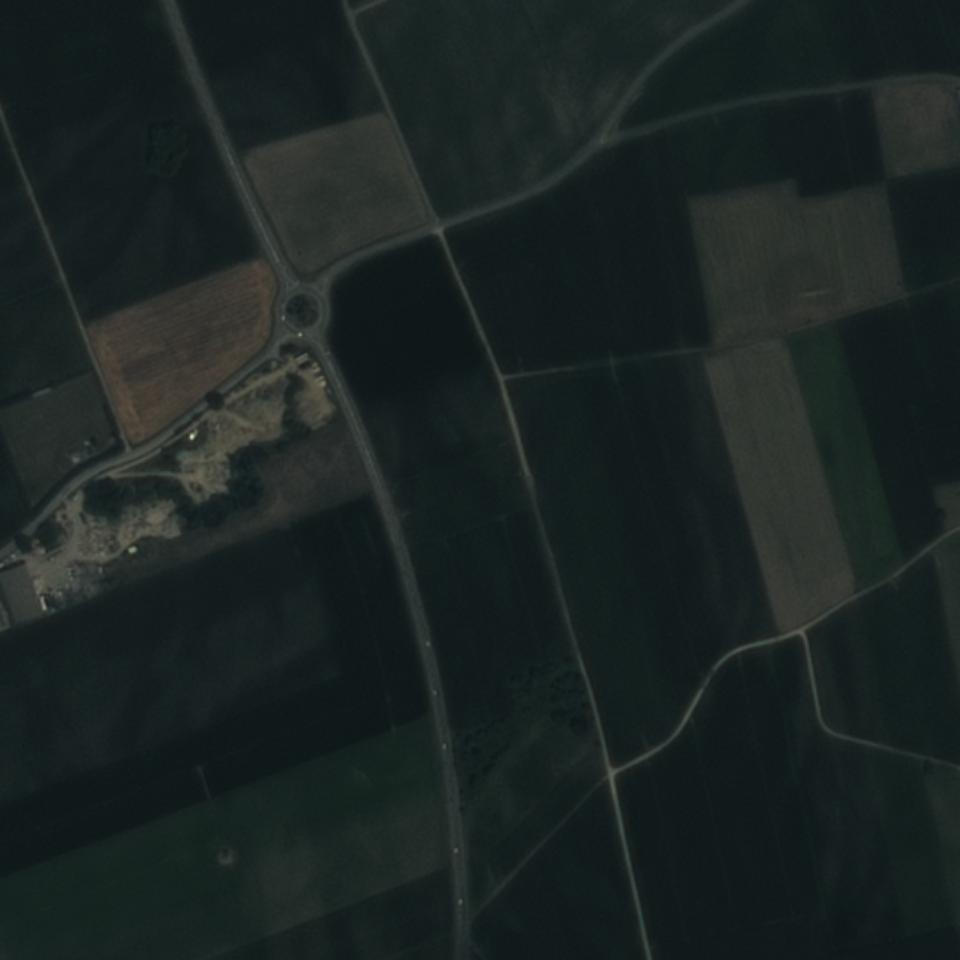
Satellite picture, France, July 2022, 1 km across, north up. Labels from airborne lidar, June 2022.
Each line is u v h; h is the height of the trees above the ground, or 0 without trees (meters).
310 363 7
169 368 0
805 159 0
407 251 0
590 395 0
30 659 0
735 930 0
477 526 0
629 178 0
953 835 0
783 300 0
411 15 0
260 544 0
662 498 0
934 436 0
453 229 0
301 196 0
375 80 0
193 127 0
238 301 0
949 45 0
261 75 0
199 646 0
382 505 0
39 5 0
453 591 0
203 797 0
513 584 0
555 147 0
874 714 0
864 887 0
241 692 0
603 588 0
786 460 0
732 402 0
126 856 0
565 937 0
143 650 0
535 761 0
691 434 0
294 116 0
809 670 0
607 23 0
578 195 0
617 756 0
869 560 0
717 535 0
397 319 0
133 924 0
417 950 0
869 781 0
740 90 0
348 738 0
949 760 0
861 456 0
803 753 0
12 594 0
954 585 0
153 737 0
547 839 0
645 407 0
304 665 0
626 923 0
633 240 0
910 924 0
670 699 0
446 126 0
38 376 0
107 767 0
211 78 0
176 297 0
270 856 0
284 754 0
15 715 0
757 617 0
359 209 0
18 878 0
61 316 0
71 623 0
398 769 0
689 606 0
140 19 0
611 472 0
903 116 0
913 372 0
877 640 0
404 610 0
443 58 0
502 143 0
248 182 0
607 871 0
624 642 0
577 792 0
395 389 0
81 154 0
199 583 0
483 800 0
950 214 0
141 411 0
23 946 0
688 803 0
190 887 0
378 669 0
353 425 0
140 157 0
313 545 0
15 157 0
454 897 0
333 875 0
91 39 0
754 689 0
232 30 0
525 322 0
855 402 0
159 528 0
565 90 0
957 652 0
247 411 0
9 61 0
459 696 0
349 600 0
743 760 0
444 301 0
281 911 0
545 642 0
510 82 0
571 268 0
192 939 0
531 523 0
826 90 0
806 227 0
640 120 0
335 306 0
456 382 0
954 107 0
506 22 0
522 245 0
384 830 0
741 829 0
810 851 0
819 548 0
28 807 0
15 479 9
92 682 0
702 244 0
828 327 0
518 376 0
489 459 0
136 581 0
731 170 0
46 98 0
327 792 0
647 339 0
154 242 0
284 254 0
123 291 0
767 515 0
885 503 0
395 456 0
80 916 0
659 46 0
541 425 0
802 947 0
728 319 0
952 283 0
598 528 0
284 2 0
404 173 0
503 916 0
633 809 0
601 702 0
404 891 0
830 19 0
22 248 0
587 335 0
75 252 0
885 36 0
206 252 0
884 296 0
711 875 0
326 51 0
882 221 0
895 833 0
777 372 0
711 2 0
